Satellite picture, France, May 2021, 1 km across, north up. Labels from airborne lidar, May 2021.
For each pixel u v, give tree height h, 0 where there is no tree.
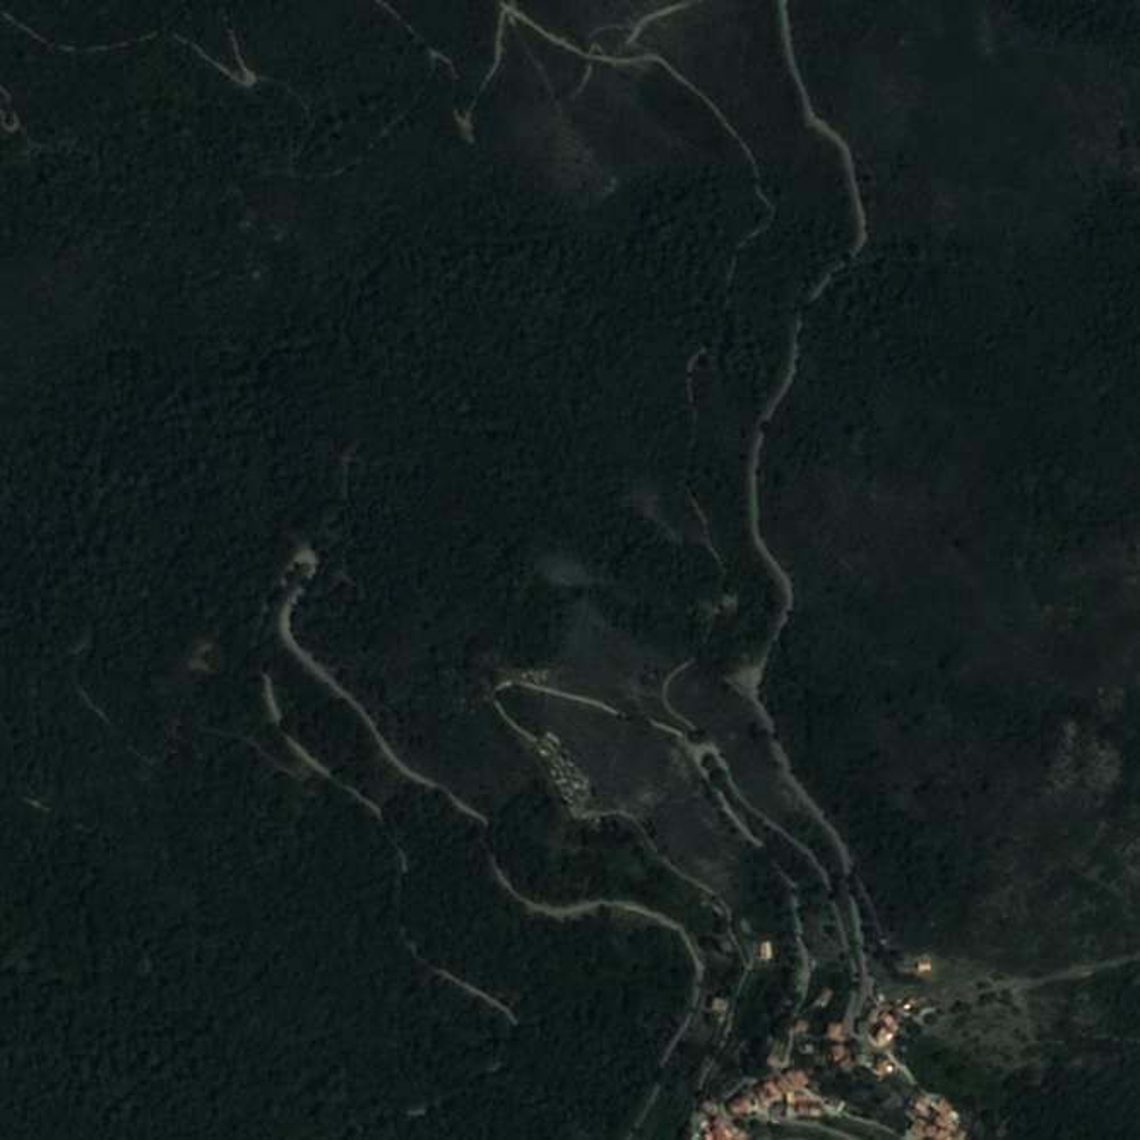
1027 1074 10
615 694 0
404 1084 17
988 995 8
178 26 7
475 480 14
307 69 7
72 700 13
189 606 15
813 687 7
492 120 5
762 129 6
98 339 14
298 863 10
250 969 21
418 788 10
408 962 8
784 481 10
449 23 5
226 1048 21
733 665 10
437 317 7
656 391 6
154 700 6
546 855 11
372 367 18
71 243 9
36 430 21
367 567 9
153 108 9
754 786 0
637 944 16
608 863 13
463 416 13
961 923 5
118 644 11
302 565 10
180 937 21
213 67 7
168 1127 14
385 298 16
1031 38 9
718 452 6
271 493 11
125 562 17
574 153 0
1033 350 6
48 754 11
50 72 6
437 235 15
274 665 14
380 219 11
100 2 8
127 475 16
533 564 7
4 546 16
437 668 8
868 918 11
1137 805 10
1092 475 7
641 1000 13
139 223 6
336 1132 13
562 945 13
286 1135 15
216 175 8
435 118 9
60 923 13
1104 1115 10
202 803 12
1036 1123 15
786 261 9
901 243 8
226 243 9
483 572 15
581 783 0
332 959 11
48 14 6
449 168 6
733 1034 6
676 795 0
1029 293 7
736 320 18
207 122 8
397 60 8
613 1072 10
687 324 9
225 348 22
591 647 0
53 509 14
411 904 11
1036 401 6
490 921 10
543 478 6
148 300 10
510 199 15
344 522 9
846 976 7
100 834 16
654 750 0
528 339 18
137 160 12
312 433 13
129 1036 10
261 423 13
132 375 14
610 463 7
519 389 11
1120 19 6
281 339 23
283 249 11
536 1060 15
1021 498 7
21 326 9
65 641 13
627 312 10
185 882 12
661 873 13
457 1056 14
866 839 8
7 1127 15
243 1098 16
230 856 14
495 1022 14
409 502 13
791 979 13
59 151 9
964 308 6
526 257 9
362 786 10
